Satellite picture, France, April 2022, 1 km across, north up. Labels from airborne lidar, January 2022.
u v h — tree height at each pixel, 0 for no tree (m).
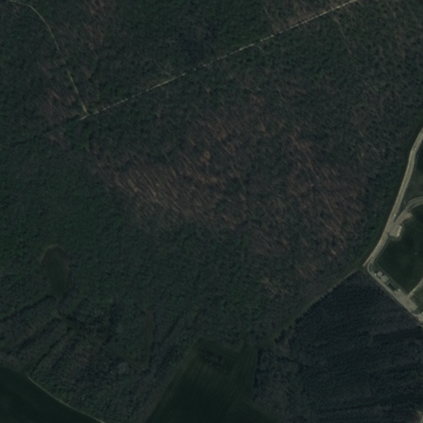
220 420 0
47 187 21
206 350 0
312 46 18
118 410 21
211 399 0
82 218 21
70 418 0
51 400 0
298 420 19
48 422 0
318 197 27
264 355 21
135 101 23
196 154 30
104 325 12
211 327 23
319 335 23
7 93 21
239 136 27
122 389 20
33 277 24
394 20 22
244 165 26
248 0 20
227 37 20
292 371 21
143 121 23
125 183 27
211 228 24
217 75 25
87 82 24
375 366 22
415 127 19
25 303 14
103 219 22
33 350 23
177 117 22
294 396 26
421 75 30
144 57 20
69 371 24
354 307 22
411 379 29
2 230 23
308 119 28
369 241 15
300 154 29
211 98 29
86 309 27
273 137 25
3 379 0
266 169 28
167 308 24
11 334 22
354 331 20
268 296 21
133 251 21
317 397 20
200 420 0
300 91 26
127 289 23
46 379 15
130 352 25
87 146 26
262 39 18
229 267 23
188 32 22
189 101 25
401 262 0
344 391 20
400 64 23
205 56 22
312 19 0
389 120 21
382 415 17
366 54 22
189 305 22
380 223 19
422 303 0
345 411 12
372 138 23
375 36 21
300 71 22
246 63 27
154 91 20
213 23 23
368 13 20
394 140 24
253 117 25
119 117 24
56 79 21
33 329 25
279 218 21
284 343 20
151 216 17
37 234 23
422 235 0
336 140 26
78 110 30
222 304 24
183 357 23
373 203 28
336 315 24
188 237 23
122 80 21
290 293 20
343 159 28
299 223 26
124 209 24
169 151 28
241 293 26
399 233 0
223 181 32
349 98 21
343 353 22
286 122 29
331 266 26
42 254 27
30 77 24
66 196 22
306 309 0
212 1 24
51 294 0
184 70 20
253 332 20
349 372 21
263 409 17
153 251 23
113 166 24
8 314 16
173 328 8
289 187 27
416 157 0
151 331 0
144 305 24
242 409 0
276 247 27
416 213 0
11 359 18
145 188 26
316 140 24
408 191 0
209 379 0
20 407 0
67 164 29
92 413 17
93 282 24
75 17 25
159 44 22
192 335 25
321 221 28
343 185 31
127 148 28
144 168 29
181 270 24
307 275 26
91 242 24
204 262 23
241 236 27
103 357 18
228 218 30
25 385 0
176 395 0
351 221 30
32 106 25
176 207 24
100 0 25
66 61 24
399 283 0
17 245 26
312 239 27
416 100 23
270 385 26
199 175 29
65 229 22
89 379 17
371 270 0
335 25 22
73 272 19
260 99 19
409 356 26
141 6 24
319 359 23
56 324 22
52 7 20
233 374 0
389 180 23
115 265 23
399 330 22
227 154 28
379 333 20
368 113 21
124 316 26
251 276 23
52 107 26
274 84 22
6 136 20
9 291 20
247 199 32
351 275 0
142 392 24
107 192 24
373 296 21
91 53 25
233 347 20
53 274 0
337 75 21
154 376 20
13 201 23
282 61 22
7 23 19
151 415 20
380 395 24
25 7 16
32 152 19
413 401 15
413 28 21
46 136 22
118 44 22
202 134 25
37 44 22
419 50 24
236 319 22
